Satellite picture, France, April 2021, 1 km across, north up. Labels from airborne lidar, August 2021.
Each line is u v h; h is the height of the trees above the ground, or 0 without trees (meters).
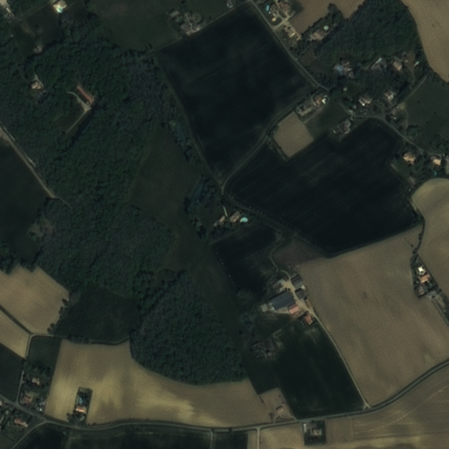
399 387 0
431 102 0
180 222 0
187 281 16
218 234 16
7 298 0
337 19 14
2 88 16
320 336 0
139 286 14
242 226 7
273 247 0
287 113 0
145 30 0
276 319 0
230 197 0
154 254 21
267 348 7
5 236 0
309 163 0
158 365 20
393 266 0
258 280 0
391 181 0
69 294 0
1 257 0
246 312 0
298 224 0
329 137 0
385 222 0
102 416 0
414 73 0
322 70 0
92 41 13
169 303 18
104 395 0
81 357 0
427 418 0
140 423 0
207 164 0
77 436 0
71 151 22
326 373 0
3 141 0
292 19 0
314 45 6
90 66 20
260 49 0
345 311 0
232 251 0
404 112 0
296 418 0
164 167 0
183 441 0
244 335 10
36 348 0
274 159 0
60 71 21
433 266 0
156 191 0
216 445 0
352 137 0
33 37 0
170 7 0
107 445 0
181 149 9
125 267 19
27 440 0
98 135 25
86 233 22
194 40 0
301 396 0
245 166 0
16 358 0
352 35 21
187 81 0
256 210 0
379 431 0
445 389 0
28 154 17
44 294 0
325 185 0
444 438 0
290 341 0
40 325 0
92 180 16
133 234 18
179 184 0
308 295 0
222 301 0
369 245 0
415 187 7
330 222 0
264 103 0
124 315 6
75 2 0
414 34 20
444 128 0
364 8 10
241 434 0
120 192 16
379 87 15
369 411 0
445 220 0
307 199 0
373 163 0
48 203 15
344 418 0
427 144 0
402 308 0
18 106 23
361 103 9
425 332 0
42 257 16
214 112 0
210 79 0
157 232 19
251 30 0
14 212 0
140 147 22
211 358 21
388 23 20
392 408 0
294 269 0
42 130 20
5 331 0
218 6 0
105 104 20
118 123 16
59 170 21
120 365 0
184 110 0
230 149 0
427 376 0
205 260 0
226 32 0
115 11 0
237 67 0
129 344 0
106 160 22
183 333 19
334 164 0
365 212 0
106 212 24
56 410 0
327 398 0
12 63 15
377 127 0
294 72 0
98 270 21
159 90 20
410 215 0
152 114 24
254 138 0
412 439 0
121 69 26
